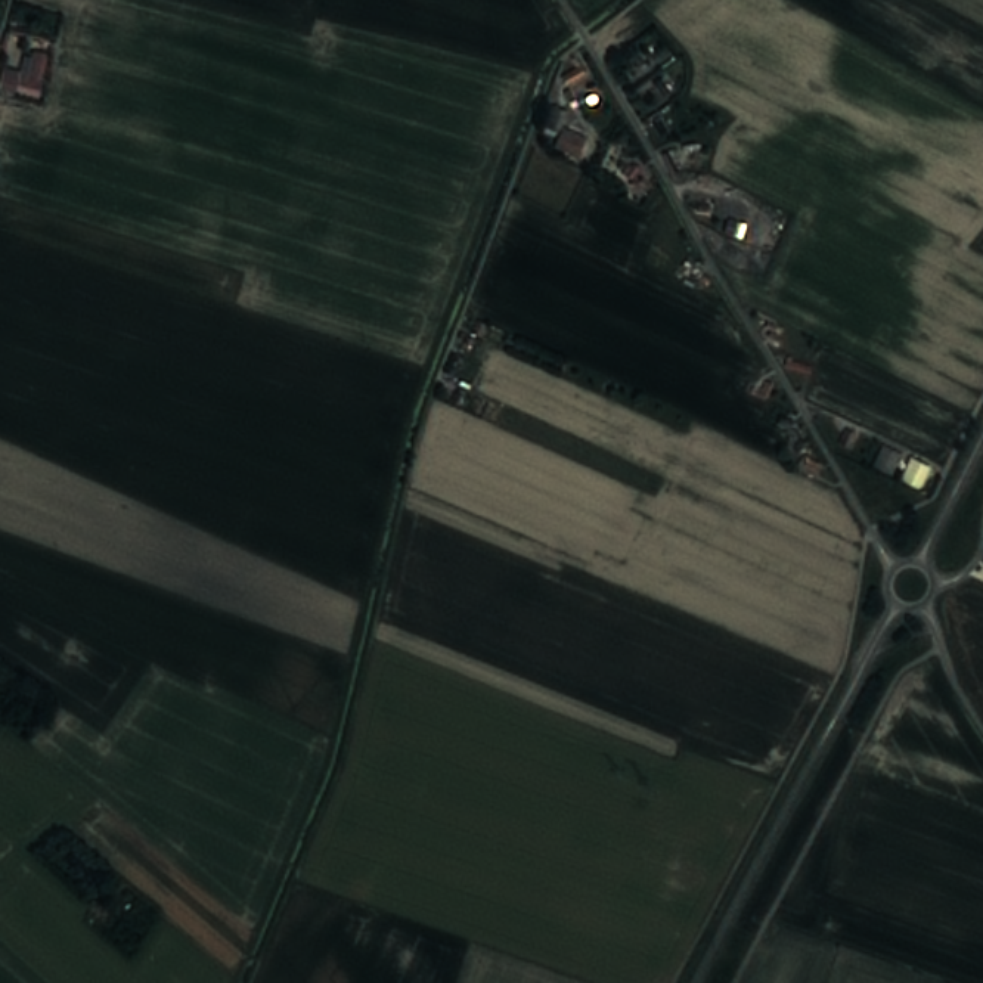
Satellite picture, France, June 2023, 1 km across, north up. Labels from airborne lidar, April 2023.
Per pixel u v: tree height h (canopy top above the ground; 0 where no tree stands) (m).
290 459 0
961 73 0
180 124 0
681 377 0
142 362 0
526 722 0
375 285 0
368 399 0
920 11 0
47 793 0
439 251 0
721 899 0
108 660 0
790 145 0
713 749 0
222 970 0
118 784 0
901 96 0
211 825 0
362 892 0
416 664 0
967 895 0
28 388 0
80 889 12
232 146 0
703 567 0
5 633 0
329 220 0
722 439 0
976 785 0
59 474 0
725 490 0
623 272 0
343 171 0
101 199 0
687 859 0
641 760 0
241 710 0
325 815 0
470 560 0
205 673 0
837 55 0
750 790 0
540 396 0
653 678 0
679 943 0
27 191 0
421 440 0
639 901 0
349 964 0
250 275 0
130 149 0
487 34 0
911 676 0
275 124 0
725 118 0
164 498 0
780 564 0
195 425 0
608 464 0
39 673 0
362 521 0
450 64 0
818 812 0
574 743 0
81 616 0
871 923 0
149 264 0
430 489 0
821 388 0
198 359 0
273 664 0
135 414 0
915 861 0
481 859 0
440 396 10
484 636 0
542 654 0
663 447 0
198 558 0
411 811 0
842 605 0
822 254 0
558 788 0
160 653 0
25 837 0
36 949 0
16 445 0
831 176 0
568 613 0
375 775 0
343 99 0
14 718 11
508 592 0
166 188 0
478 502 0
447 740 0
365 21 0
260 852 0
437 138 0
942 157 0
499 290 0
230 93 0
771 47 0
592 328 0
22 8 8
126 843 0
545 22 0
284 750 0
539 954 0
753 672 0
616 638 0
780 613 0
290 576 0
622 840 0
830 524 0
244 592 0
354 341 0
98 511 0
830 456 0
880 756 0
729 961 0
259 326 0
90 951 0
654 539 0
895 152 0
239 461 0
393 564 0
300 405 0
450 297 0
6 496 0
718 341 0
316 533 0
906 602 0
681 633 0
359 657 0
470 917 0
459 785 0
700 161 0
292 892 0
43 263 0
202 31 0
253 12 0
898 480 9
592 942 0
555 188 0
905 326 0
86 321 0
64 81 0
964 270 0
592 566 0
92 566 0
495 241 0
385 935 0
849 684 0
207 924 0
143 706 0
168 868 0
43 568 0
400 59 0
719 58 0
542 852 0
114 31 0
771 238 0
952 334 0
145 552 0
